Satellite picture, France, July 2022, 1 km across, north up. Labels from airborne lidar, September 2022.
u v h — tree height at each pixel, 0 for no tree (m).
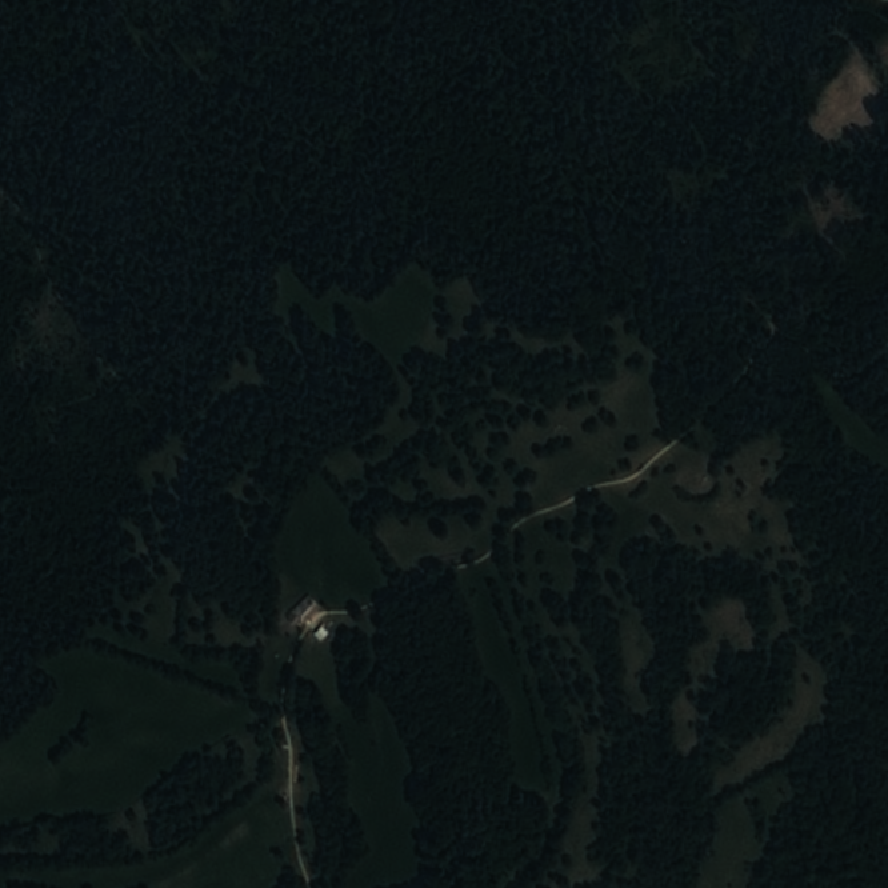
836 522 21
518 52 19
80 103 11
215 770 16
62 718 0
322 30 7
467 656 26
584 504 13
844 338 12
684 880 13
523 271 19
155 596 0
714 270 16
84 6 20
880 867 9
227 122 30
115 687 0
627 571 18
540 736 9
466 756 24
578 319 16
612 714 16
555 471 0
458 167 12
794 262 25
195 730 0
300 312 22
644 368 17
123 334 27
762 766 0
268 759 13
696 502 7
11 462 10
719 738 16
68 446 11
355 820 28
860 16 7
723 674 18
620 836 16
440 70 15
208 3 8
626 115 36
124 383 7
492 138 9
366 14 24
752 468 0
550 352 14
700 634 15
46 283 10
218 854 0
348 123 19
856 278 6
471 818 28
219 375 18
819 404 17
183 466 22
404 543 0
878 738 20
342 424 21
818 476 13
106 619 13
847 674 14
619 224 29
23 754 0
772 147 12
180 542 23
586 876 0
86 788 0
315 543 0
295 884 15
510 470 14
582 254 31
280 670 0
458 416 15
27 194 8
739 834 0
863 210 20
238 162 14
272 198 11
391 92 11
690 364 17
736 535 0
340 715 0
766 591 17
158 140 29
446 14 24
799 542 15
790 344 20
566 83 16
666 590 20
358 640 19
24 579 12
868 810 18
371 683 21
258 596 19
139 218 27
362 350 20
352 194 20
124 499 12
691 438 12
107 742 0
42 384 12
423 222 28
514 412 8
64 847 15
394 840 0
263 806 0
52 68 7
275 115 14
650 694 20
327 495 0
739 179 20
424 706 24
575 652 13
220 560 18
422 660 22
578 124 27
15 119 26
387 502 20
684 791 17
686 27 9
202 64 6
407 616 23
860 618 13
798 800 12
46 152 24
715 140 7
